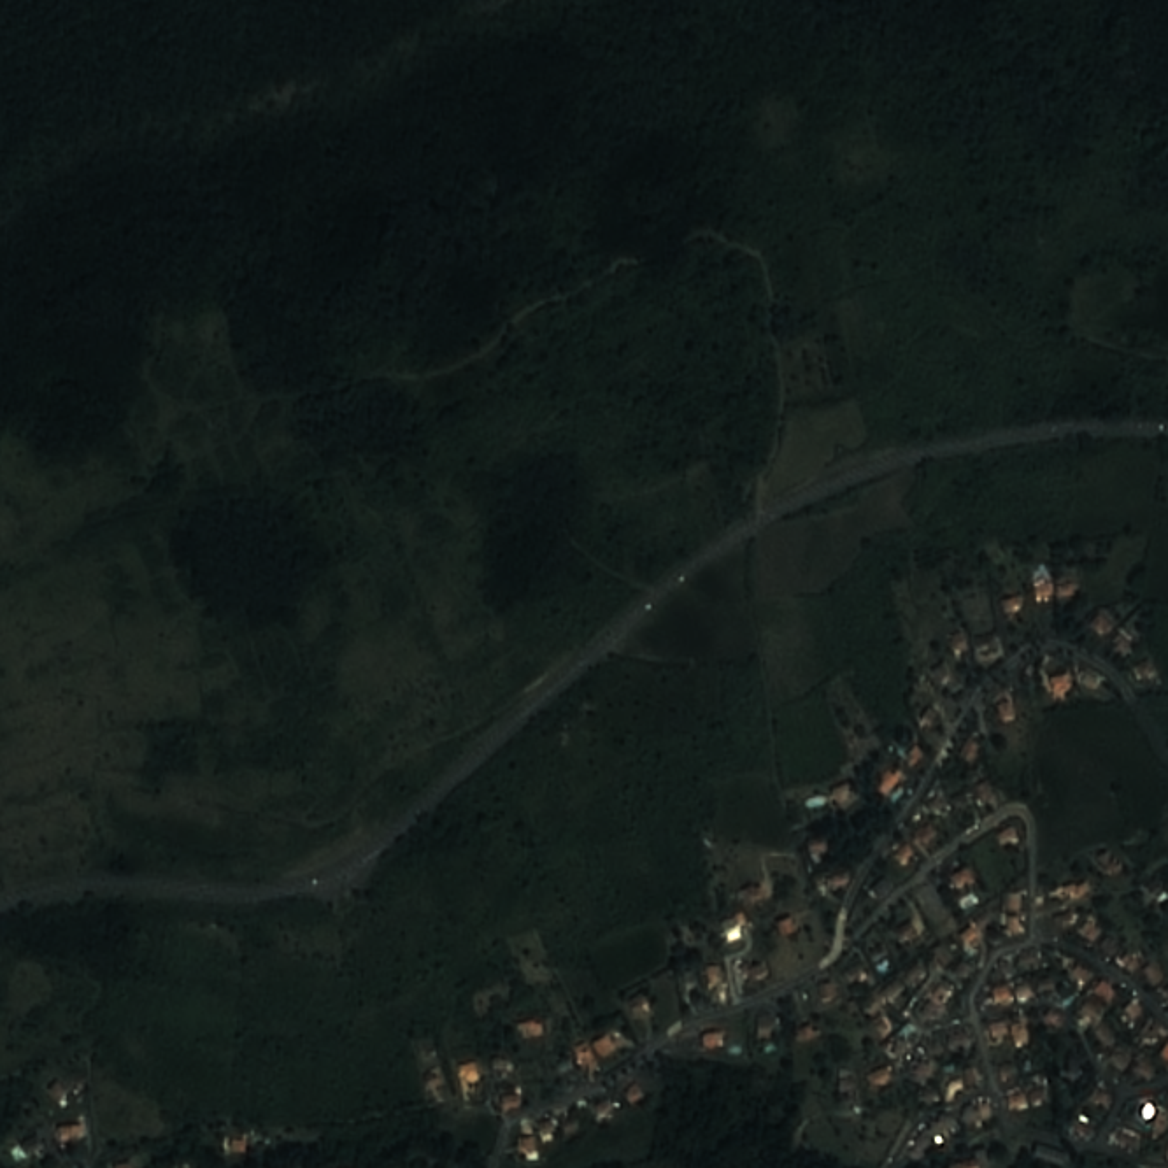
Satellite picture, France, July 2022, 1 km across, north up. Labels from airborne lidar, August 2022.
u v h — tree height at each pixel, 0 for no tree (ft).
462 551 0
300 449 0
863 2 28
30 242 39
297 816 0
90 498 0
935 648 27
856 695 18
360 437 44
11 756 0
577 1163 0
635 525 23
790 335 37
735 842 21
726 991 0
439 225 49
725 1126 23
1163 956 0
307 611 0
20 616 0
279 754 19
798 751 0
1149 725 0
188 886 0
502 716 0
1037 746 0
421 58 43
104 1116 0
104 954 26
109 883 0
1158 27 45
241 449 0
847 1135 0
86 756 0
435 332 49
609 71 48
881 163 0
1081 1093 40
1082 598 38
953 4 56
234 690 0
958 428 21
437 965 33
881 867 20
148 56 47
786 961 0
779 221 20
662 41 60
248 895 0
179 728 25
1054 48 35
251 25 42
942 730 28
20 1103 24
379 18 33
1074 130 32
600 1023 36
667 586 0
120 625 0
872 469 0
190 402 0
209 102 24
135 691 0
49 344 47
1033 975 21
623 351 35
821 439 0
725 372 26
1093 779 0
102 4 38
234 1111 22
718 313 30
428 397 0
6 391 53
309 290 48
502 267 51
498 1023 25
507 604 32
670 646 0
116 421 24
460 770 0
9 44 43
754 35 35
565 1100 0
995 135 36
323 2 52
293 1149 49
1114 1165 33
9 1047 23
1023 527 17
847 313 0
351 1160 40
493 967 30
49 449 34
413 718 0
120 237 46
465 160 36
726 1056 0
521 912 0
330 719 0
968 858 28
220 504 37
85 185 53
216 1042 19
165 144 53
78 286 52
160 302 33
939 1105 19
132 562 0
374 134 58
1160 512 0
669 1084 24
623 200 32
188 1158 61
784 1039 28
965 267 46
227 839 0
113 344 37
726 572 0
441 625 0
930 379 17
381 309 47
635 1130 0
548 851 30
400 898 0
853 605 17
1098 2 20
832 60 24
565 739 0
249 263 57
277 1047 20
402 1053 28
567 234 22
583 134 49
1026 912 0
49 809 0
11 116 49
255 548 52
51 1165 37
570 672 0
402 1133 30
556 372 20
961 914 24
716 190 37
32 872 0
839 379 30
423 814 33
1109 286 0
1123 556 0
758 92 21
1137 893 25
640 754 17
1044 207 22
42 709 0
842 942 0
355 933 0
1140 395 25
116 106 28
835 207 21
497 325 31
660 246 34
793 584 0
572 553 22
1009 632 25
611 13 57
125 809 0
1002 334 21
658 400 30
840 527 0
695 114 35
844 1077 0
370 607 0
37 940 31
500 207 95
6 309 51
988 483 21
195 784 0
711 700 0
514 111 45
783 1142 37
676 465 25
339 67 22
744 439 30
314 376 44
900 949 33
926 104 25
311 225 47
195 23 36
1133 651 32
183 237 68
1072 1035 34
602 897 19
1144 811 0
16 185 19
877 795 45
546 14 27
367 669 0
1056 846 0
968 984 23
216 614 28
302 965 0
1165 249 33
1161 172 41
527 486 55
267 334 35
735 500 22
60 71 37
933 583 0
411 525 0
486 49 51
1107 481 0
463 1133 0
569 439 19
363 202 30
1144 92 33
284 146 45
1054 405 21
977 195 23
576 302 30
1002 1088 0
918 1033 0
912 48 22
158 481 34
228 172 44
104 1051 19
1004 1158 39
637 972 0
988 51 25
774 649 0
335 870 0
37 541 0
